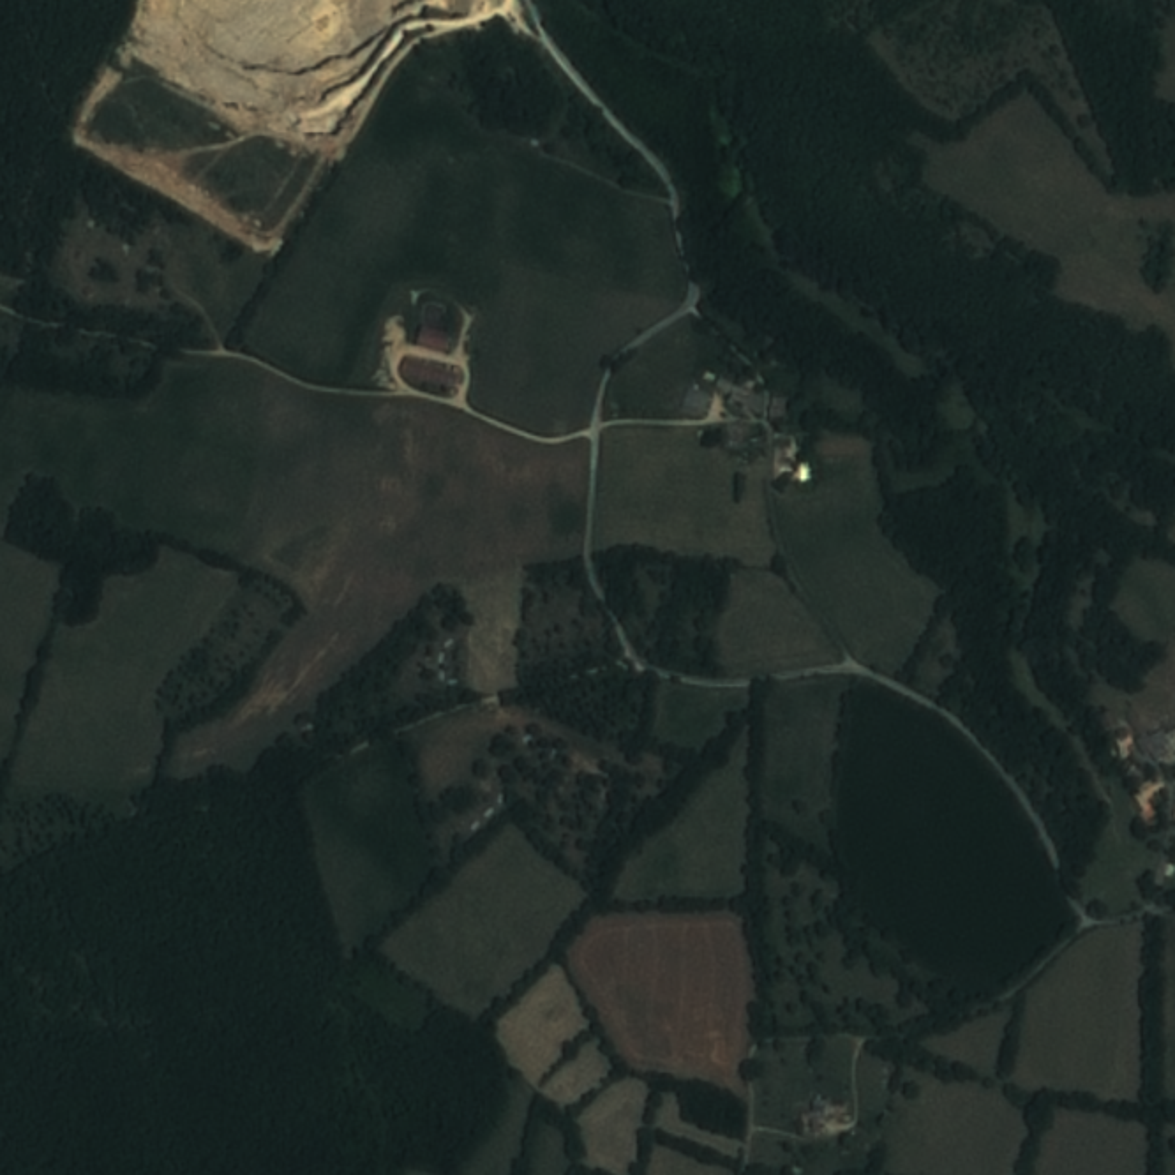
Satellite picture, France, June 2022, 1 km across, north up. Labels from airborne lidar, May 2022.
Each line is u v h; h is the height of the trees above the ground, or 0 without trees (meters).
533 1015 0
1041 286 6
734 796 0
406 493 0
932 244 7
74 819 8
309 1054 11
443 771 0
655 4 11
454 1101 14
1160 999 14
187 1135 10
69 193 10
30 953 6
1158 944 11
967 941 0
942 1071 9
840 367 11
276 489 0
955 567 10
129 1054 10
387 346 0
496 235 0
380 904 0
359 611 0
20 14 9
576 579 11
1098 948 0
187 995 12
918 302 13
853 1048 0
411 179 0
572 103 10
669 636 12
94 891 11
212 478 0
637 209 0
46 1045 13
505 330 0
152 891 8
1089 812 17
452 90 12
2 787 14
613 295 0
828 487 0
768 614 0
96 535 8
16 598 0
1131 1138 0
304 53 0
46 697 0
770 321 18
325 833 0
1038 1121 16
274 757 12
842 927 18
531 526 0
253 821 11
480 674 0
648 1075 7
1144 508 7
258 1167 12
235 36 0
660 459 0
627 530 0
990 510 18
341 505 0
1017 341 13
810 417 16
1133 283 0
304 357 0
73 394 9
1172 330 0
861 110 9
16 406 0
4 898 9
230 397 0
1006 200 0
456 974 0
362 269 0
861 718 0
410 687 0
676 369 0
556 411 0
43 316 13
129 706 0
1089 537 14
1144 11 6
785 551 0
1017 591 10
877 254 15
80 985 9
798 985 9
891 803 0
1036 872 0
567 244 0
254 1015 11
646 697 12
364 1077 9
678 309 0
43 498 8
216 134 0
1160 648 13
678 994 0
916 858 0
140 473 0
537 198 0
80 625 8
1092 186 0
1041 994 0
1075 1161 0
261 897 9
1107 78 12
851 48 10
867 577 0
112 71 0
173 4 0
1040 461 10
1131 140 12
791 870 13
